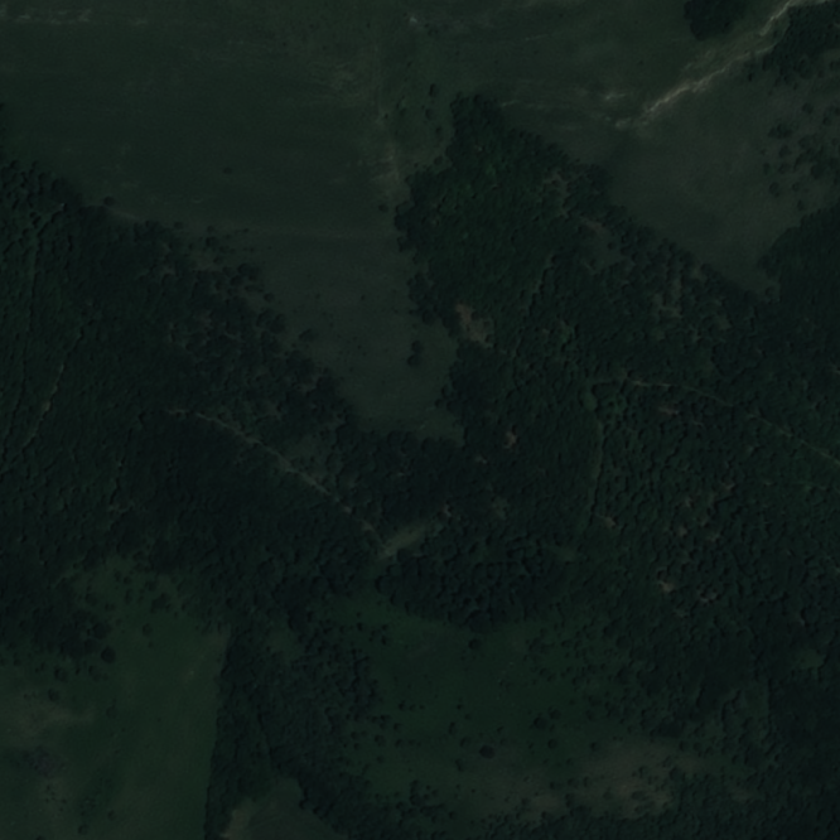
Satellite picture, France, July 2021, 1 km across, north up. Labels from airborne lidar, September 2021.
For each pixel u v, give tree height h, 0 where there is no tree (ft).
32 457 84
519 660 0
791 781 73
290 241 0
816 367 62
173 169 0
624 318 47
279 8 0
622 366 75
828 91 18
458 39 0
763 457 76
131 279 74
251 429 57
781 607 91
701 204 0
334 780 59
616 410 85
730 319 41
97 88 0
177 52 0
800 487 38
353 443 49
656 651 48
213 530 67
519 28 0
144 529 45
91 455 64
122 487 73
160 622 0
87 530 89
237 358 35
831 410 75
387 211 29
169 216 0
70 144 0
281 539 91
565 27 0
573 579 63
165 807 0
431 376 0
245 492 83
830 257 55
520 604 69
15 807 0
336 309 0
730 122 0
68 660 37
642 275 24
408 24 0
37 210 87
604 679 25
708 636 66
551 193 29
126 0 0
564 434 82
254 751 58
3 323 65
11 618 63
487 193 62
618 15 0
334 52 0
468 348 40
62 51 0
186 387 53
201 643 0
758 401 62
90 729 0
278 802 0
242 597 47
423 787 39
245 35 0
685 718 67
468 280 58
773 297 37
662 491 83
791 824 70
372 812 48
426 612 72
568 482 50
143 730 0
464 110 52
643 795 21
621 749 0
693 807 56
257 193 0
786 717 63
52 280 76
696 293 46
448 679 0
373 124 0
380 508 36
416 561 53
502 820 37
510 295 66
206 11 0
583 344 70
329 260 0
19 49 0
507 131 53
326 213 0
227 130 0
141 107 0
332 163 0
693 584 79
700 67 0
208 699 0
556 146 28
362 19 0
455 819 34
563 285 77
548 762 26
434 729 0
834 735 69
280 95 0
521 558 94
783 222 0
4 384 68
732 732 58
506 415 54
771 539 72
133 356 82
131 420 66
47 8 0
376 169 0
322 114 0
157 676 0
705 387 61
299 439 42
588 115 0
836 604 73
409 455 58
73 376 63
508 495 58
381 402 0
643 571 67
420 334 0
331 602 33
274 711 31
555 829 53
